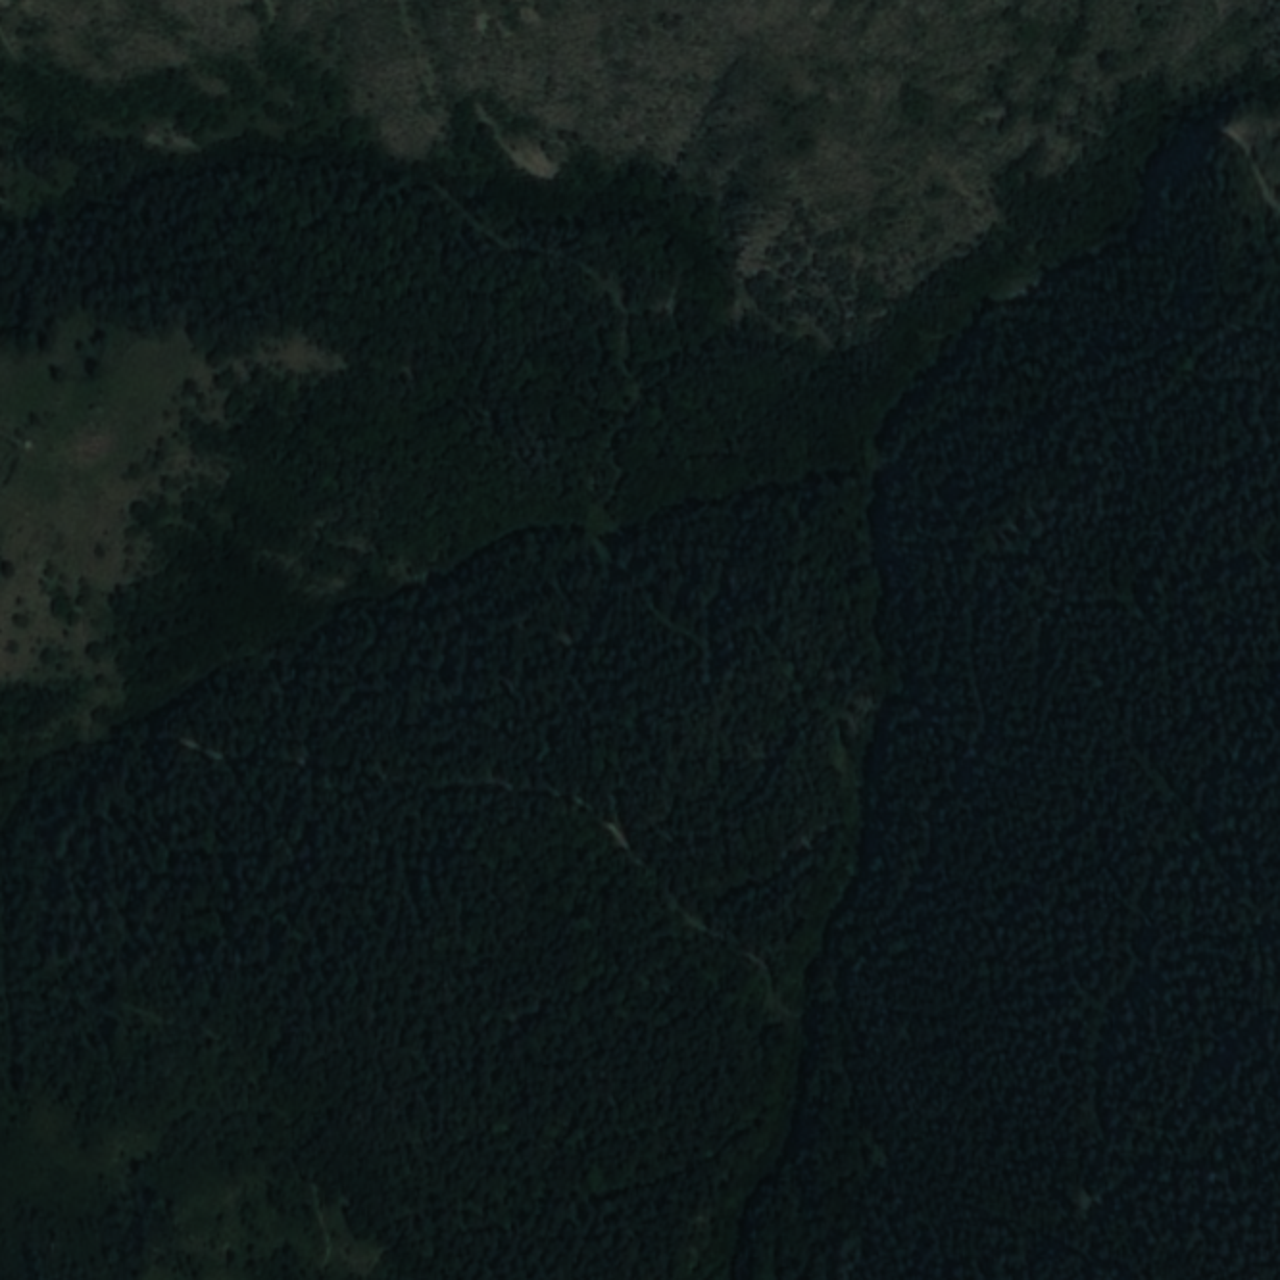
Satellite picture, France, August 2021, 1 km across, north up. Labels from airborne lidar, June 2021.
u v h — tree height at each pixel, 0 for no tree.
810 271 10
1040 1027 29
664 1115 22
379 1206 19
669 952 22
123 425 0
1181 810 11
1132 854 23
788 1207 17
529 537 14
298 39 6
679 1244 11
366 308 21
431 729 26
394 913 13
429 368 16
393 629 34
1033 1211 22
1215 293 14
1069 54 13
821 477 12
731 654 13
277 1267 9
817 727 18
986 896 19
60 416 0
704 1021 24
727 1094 23
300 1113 11
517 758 27
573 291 20
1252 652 26
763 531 20
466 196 8
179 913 23
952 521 9
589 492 12
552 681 29
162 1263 9
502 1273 24
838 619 21
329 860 27
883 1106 16
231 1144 8
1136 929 23
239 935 30
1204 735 28
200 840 24
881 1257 24
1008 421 18
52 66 7
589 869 23
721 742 27
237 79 9
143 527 9
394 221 28
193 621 15
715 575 27
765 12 0
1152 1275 16
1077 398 14
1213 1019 9
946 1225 19
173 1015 9
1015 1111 22
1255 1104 22
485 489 22
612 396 12
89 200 14
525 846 22
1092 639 26
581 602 22
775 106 7
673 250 29
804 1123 12
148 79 7
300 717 28
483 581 20
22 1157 0
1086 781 30
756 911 14
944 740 30
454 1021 21
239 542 12
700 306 25
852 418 13
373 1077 23
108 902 31
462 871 26
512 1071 25
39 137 15
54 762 6
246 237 19
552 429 16
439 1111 24
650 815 26
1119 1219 15
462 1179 15
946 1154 23
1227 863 16
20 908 9
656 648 28
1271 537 10
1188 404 20
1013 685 24
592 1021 21
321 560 12
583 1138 16
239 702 24
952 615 24
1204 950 19
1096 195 14
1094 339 16
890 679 18
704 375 24
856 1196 9
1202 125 9
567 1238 18
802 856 17
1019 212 14
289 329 14
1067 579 23
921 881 12
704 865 21
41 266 15
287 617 10
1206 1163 12
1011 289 0
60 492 0
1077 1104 22
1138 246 12
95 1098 10
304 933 25
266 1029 11
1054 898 23
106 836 26
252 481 13
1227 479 12
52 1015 9
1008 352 15
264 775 27
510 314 19
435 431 22
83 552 0
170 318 28
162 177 14
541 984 23
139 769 10
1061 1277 23
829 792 25
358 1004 25
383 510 9
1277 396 17
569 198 21
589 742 19
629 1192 22
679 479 23
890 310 11
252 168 24
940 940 18
